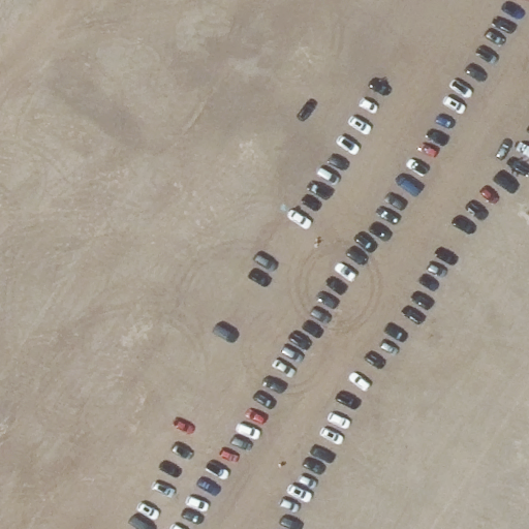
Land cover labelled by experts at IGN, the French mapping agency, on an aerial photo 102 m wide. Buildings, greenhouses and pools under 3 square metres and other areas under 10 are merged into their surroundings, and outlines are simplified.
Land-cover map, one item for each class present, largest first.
<instances>
[{"label":"bare soil","instance_id":"1","mask_svg":"<svg viewBox=\"0 0 529 529\"><path fill-rule=\"evenodd\" d=\"M0 529H529V0H0Z\"/></svg>","mask_w":529,"mask_h":529}]
</instances>
